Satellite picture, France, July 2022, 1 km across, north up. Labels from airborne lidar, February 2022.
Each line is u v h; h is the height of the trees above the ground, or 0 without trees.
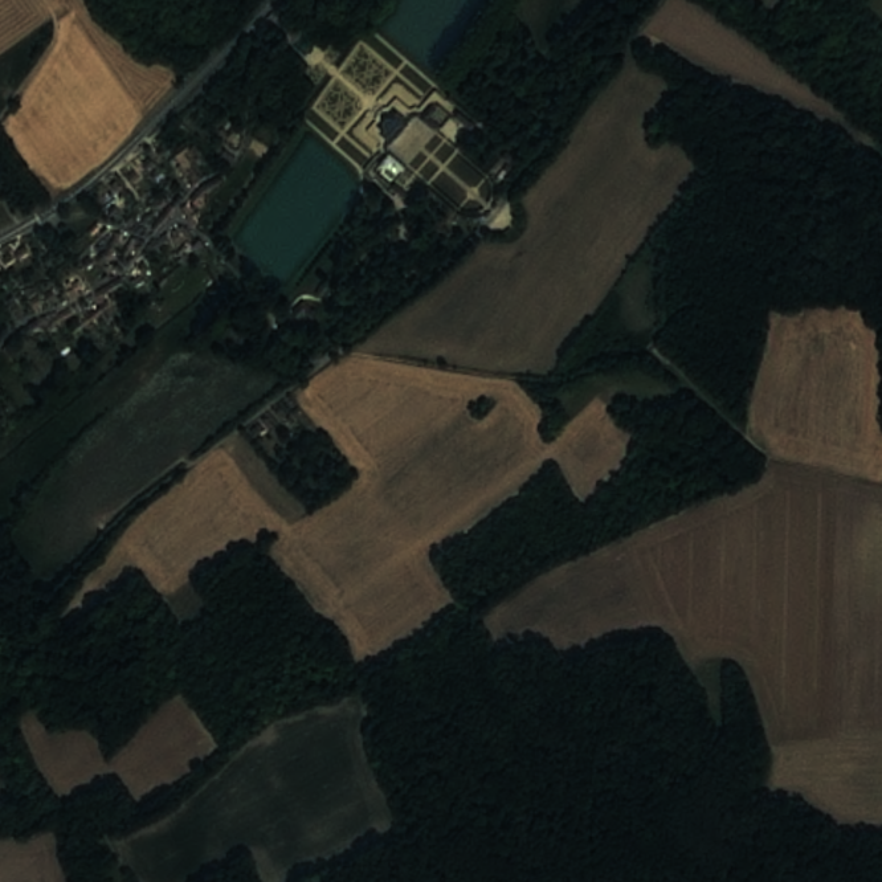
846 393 0
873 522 0
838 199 25
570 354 16
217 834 0
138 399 0
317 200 0
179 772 0
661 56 18
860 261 29
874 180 23
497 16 42
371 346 0
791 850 25
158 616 18
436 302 0
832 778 0
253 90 22
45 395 16
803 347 0
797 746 0
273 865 0
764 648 0
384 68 0
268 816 0
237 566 18
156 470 0
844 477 0
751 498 0
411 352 0
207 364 0
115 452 0
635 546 0
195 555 0
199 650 17
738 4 18
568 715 28
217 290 6
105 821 16
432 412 0
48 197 18
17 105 12
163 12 16
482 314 0
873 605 0
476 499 0
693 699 24
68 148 0
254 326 19
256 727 16
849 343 0
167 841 0
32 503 20
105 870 11
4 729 18
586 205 0
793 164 26
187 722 0
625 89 0
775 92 0
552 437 14
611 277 0
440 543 0
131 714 26
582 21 26
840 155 24
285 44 21
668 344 15
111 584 0
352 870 21
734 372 20
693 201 14
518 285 0
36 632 25
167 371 0
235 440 0
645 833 27
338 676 14
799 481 0
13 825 18
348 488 13
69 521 0
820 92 18
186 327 0
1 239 0
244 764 0
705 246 22
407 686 18
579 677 26
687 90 19
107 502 0
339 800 0
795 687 0
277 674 6
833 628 0
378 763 15
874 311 28
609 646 16
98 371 0
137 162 0
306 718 0
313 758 0
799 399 0
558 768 27
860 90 14
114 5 13
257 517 0
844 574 0
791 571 0
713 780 30
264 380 0
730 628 0
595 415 0
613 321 0
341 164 0
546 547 8
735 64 0
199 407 0
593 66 24
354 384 0
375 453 0
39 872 0
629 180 0
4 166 8
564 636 0
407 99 0
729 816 28
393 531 0
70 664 24
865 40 12
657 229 7
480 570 17
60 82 0
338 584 0
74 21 0
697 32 0
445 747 26
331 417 0
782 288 23
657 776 28
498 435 0
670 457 7
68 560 0
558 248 0
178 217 0
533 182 14
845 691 0
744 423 11
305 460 13
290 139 16
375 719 15
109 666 31
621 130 0
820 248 25
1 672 19
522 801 27
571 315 0
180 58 14
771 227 27
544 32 0
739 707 20
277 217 0
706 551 0
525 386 8
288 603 13
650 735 25
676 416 24
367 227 25
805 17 22
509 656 24
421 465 0
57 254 14
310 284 0
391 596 0
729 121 27
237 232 0
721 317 21
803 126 26
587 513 11
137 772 0
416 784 27
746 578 0
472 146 30
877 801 0
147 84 0
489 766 27
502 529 16
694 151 17
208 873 18
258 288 28
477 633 19
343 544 0
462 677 25
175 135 6
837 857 25
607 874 23
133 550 0
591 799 28
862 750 0
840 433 0
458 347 0
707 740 22
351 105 0
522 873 25
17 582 35
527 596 0
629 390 0
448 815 25
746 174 22
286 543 0
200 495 0
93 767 0
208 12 17
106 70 0
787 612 0
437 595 0
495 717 25
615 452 0
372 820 0
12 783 14
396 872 27
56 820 22
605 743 29
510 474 0
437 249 26
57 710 21
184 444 0
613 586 0
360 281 23
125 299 9
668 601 0
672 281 11
